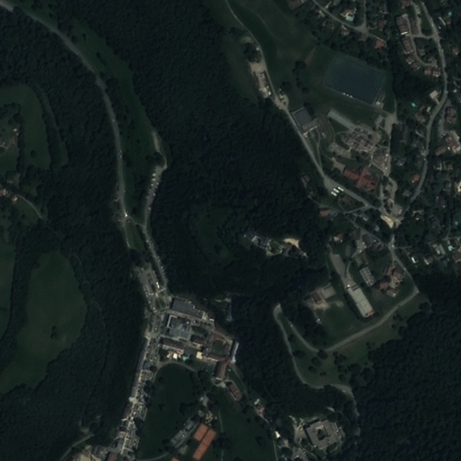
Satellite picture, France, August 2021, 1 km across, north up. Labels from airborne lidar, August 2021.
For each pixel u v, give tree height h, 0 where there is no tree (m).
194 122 18
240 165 34
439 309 26
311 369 15
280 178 28
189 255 9
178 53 27
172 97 23
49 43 36
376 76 0
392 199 0
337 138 0
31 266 16
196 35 29
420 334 26
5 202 8
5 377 0
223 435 15
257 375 29
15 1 0
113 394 20
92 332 14
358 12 10
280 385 24
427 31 11
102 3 33
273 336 29
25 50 33
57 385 18
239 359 22
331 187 0
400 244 8
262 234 14
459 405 24
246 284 12
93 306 12
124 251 26
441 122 0
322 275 20
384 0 0
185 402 0
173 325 0
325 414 14
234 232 8
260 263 15
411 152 8
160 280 12
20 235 14
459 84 12
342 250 0
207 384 16
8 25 36
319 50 0
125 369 20
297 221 26
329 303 0
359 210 5
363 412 30
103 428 15
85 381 20
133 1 27
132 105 0
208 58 23
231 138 27
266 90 0
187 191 10
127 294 21
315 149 0
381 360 17
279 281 16
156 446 0
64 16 21
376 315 8
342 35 10
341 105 0
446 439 27
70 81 29
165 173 11
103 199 32
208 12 12
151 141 0
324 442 0
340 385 0
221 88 22
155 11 30
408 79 20
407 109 6
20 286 20
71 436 20
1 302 0
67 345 0
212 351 0
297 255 15
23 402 22
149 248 12
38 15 0
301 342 0
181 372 0
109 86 19
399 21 0
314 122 0
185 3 24
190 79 26
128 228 0
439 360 23
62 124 23
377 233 12
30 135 0
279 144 30
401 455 26
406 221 11
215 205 11
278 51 0
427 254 8
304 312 22
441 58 10
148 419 0
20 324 11
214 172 30
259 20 0
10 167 0
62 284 0
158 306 0
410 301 0
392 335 0
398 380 23
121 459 0
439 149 0
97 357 14
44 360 0
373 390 15
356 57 8
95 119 32
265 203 24
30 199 17
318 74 0
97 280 17
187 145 20
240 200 23
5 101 0
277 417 13
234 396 0
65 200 17
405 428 28
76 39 13
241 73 0
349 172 0
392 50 15
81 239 26
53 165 16
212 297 18
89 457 0
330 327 0
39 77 16
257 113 23
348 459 22
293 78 0
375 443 23
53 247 20
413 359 23
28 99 0
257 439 0
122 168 0
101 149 29
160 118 23
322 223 0
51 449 20
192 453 0
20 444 27
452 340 29
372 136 9
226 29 11
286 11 0
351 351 0
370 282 0
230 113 21
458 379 26
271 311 19
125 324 23
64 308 0
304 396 25
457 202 11
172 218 14
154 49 24
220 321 10
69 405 18
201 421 9
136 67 23
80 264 19
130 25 21
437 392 29
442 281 17
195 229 14
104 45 0
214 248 0
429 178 7
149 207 0
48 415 15
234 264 14
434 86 8
